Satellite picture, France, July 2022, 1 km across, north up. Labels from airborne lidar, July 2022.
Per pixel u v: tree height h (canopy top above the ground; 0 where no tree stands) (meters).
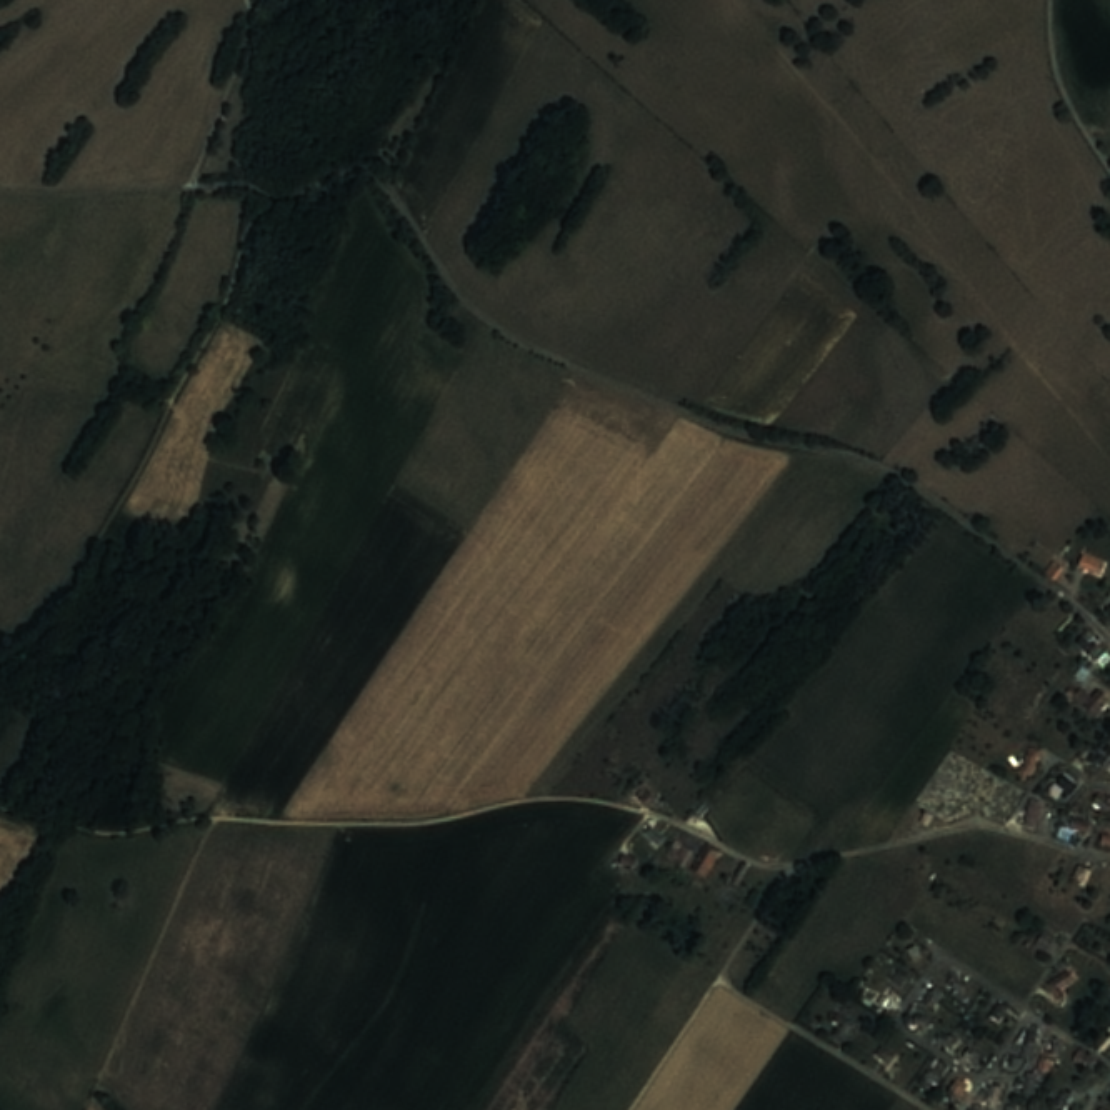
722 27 0
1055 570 0
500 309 0
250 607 0
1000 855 0
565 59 0
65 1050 0
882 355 0
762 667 15
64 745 29
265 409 9
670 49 0
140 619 23
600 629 0
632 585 0
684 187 0
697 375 0
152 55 12
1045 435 0
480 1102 0
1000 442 16
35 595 0
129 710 27
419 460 0
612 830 0
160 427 0
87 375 0
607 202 0
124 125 0
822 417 0
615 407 0
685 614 0
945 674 0
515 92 0
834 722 0
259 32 17
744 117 0
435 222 0
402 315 0
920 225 0
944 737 0
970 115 0
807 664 17
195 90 0
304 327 15
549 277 0
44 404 0
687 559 0
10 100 0
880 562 13
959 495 0
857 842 0
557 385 0
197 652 21
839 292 0
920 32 0
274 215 18
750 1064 0
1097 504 0
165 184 0
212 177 10
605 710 0
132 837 11
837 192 0
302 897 0
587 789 0
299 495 0
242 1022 0
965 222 0
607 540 0
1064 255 0
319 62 12
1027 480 0
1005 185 0
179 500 0
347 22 13
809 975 0
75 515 0
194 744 0
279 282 27
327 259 21
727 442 0
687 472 0
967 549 0
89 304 0
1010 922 0
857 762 0
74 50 0
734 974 0
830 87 0
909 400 0
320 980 0
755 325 0
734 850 0
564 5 0
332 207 20
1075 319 0
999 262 0
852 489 0
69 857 0
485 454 0
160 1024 0
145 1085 0
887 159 0
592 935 0
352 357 0
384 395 0
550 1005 0
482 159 0
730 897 0
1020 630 0
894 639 0
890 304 9
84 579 11
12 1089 0
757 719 10
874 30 0
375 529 0
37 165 0
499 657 0
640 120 0
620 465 0
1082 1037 10
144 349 0
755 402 0
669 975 0
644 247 0
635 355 0
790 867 0
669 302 0
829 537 0
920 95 0
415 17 28
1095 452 0
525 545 0
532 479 0
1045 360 0
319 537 0
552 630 0
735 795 0
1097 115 0
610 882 0
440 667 0
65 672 26
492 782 0
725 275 17
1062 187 0
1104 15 0
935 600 0
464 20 11
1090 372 0
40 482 0
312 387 0
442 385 0
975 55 0
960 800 0
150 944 0
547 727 0
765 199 0
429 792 0
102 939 0
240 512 23
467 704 0
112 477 0
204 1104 0
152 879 0
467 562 0
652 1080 0
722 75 0
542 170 20
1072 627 7
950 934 0
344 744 0
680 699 18
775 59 0
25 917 25
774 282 0
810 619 19
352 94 20
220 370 0
